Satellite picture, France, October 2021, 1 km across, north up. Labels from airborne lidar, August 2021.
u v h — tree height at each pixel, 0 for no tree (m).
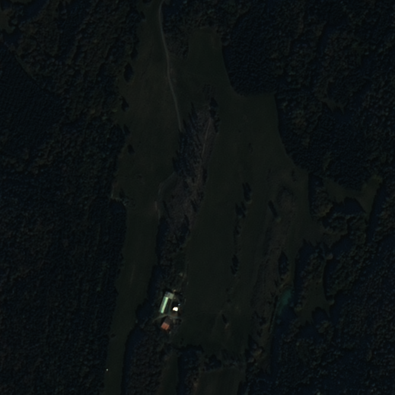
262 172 0
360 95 20
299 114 20
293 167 0
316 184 16
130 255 0
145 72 0
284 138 22
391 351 25
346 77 26
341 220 24
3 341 23
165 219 0
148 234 0
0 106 19
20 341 23
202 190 0
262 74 23
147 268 0
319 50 15
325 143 26
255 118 0
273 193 0
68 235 19
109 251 23
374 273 31
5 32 0
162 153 0
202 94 0
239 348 0
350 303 31
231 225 0
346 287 20
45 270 24
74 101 26
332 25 14
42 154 29
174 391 0
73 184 17
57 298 19
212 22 12
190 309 0
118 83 19
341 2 13
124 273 0
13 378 24
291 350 25
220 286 0
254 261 0
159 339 21
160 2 0
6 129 21
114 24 26
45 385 14
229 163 0
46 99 18
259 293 0
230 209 0
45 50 24
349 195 0
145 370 24
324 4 21
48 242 21
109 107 24
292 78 25
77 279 22
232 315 0
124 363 0
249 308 0
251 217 0
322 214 6
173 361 0
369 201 0
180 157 7
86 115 23
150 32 0
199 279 0
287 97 25
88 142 16
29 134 21
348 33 23
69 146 26
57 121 18
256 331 0
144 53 0
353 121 23
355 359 21
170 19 16
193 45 0
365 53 12
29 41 25
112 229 22
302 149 20
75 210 21
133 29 22
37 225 25
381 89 24
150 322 19
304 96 24
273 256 0
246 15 26
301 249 0
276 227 0
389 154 22
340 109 0
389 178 23
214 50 0
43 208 25
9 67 22
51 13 21
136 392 22
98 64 21
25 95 19
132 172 0
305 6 26
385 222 26
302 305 16
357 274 24
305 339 22
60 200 28
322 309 0
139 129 0
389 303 26
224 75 0
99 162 13
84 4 15
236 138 0
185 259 0
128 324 0
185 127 0
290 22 20
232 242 0
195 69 0
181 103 0
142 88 0
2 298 27
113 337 0
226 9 14
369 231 0
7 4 7
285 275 22
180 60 0
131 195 0
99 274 25
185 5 13
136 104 0
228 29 17
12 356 20
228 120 0
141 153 0
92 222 22
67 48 21
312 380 15
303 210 0
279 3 31
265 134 0
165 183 0
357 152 27
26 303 21
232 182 0
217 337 0
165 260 18
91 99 26
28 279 26
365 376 22
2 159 20
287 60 21
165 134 0
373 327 25
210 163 0
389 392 16
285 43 22
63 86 22
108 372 0
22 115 20
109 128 13
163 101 0
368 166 18
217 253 0
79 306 20
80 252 18
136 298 0
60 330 16
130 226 0
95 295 26
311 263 20
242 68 22
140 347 18
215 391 0
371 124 20
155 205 0
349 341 32
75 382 19
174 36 11
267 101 0
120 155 15
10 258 24
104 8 23
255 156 0
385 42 31
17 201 23
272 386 20
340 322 27
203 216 0
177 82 0
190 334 0
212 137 0
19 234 26
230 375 0
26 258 26
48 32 23
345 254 23
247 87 25
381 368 15
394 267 23
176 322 0
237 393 0
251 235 0
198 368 19
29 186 12
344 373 25
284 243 0
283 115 23
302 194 0
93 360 26
